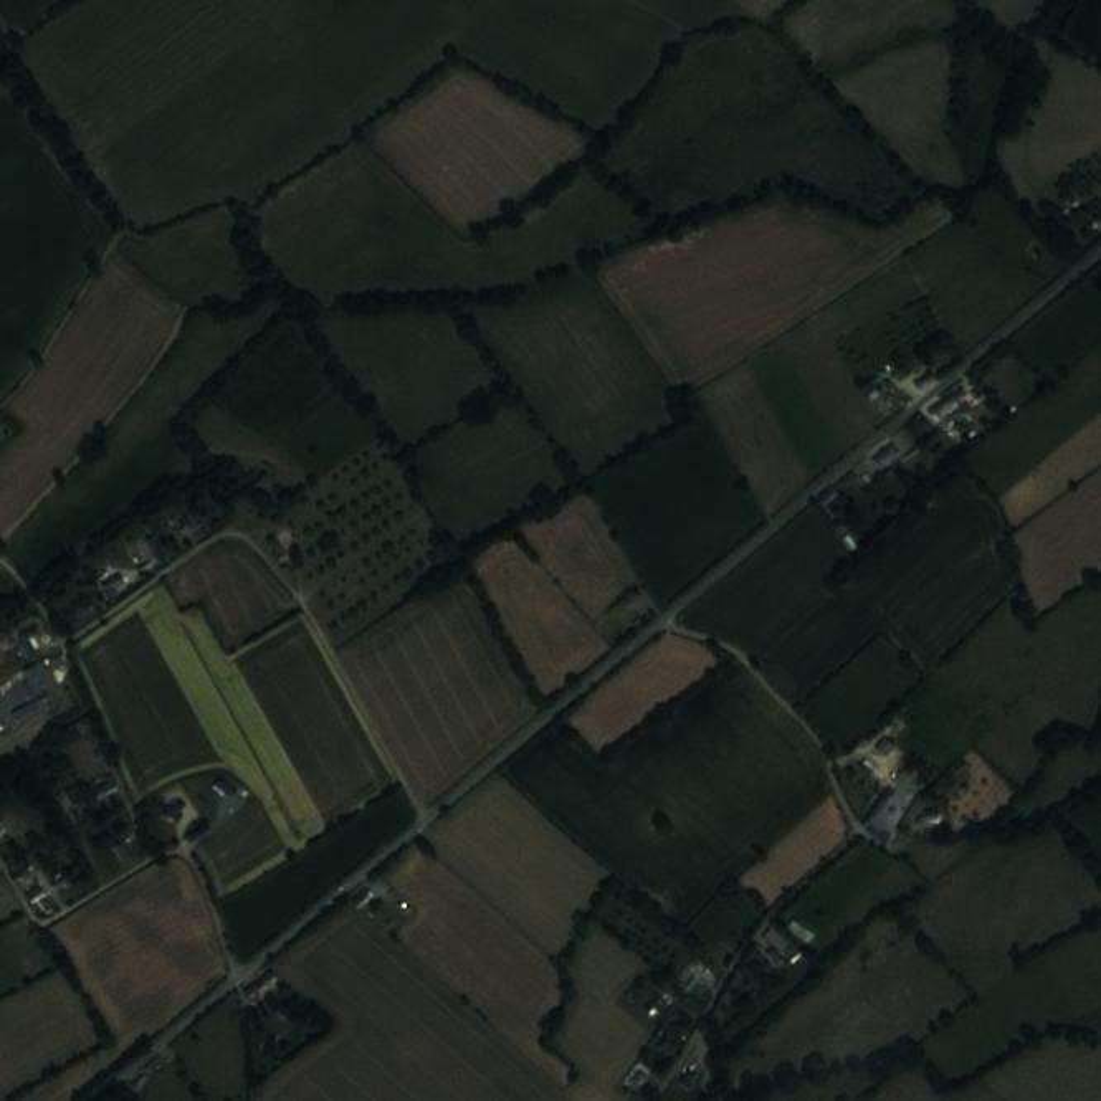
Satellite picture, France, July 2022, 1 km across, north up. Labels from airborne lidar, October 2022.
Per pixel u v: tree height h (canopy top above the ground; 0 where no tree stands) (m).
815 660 0
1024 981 0
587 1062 0
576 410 0
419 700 0
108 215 11
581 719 0
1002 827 21
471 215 0
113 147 0
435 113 0
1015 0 0
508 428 0
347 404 10
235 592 0
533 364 0
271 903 0
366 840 0
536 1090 0
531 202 13
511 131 0
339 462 0
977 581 0
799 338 0
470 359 0
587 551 0
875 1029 0
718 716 0
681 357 0
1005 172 16
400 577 7
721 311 0
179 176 0
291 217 0
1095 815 0
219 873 0
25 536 0
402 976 0
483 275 0
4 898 0
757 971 10
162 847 9
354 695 0
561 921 0
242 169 0
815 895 0
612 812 0
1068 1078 0
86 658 0
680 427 9
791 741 0
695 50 0
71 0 12
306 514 0
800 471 0
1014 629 0
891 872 0
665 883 0
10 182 0
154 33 0
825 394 0
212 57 0
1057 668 0
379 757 0
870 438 0
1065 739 19
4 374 0
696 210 10
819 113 0
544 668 0
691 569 0
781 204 0
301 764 0
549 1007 0
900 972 0
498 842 0
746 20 9
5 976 0
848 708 0
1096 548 0
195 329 0
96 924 0
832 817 0
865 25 0
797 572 0
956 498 0
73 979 12
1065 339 0
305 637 0
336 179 0
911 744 0
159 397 0
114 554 0
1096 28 0
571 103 0
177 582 0
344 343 0
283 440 0
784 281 0
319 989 0
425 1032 0
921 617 0
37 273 0
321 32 0
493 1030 0
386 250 0
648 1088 12
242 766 0
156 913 0
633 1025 0
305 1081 0
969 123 0
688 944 12
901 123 0
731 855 0
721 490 0
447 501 0
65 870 9
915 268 0
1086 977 0
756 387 0
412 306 13
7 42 12
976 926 0
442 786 0
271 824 0
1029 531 0
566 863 0
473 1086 0
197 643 0
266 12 0
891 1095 0
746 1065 0
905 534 0
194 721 0
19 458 0
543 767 0
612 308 0
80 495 0
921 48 0
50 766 5
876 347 0
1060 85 0
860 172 0
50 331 0
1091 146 0
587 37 0
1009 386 0
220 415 0
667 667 0
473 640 0
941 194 13
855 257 0
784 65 0
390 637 0
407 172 0
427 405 0
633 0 0
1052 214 8
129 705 0
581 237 0
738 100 0
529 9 0
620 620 0
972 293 0
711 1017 9
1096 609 0
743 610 0
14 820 0
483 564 0
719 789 0
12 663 0
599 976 0
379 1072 0
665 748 0
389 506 8
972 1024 0
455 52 18
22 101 21
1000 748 0
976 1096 0
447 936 0
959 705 0
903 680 0
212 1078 0
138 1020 0
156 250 0
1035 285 0
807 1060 0
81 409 0
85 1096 10
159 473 0
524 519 8
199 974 0
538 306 0
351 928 0
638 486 0
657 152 0
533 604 0
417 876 0
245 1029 6
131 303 0
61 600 9
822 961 13
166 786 0
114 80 0
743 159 0
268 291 21
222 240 0
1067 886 0
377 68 0
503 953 0
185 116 0
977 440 8
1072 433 0
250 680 0
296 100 0
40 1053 0
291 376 0
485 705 0
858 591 0
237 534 0
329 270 0
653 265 0
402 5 0
